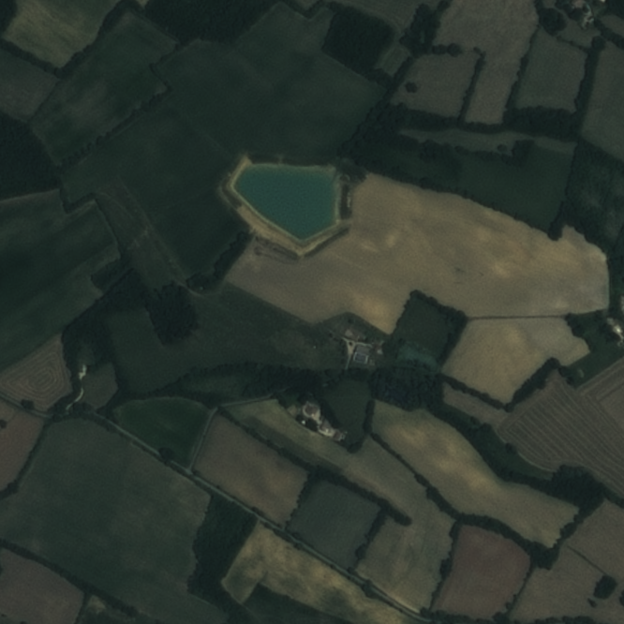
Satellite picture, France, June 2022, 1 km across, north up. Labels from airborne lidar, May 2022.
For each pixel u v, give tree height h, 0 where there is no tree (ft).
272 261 0
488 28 0
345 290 0
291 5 41
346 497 0
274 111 0
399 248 0
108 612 0
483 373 0
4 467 0
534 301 0
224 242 0
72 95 0
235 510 37
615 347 0
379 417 0
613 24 0
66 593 0
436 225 0
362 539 0
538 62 0
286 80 0
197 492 0
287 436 0
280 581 0
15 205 0
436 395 88
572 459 0
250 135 0
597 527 0
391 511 46
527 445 0
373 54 30
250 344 0
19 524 0
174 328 66
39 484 0
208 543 37
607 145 0
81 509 0
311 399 29
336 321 0
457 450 0
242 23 43
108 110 0
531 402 0
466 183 0
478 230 0
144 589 0
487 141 0
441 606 0
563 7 35
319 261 0
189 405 0
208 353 0
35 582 0
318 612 0
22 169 61
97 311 60
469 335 0
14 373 0
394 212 0
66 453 0
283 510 0
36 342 0
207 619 0
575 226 40
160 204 0
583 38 0
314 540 0
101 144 37
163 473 0
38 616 0
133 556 0
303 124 0
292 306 0
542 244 0
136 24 0
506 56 0
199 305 0
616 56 0
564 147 0
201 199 0
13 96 0
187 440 0
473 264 0
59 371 0
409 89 48
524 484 36
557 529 0
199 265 0
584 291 0
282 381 40
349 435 0
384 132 54
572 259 0
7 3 45
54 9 0
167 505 0
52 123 0
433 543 0
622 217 0
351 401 0
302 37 0
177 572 0
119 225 0
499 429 0
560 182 0
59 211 0
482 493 0
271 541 0
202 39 34
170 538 0
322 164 0
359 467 0
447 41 0
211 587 41
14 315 0
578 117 52
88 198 35
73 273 0
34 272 0
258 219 0
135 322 0
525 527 0
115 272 28
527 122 48
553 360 33
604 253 29
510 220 0
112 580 0
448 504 43
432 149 43
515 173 0
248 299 0
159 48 0
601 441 0
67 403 45
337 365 0
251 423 0
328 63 0
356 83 0
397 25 0
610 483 0
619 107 0
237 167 0
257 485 0
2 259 0
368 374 38
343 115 0
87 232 0
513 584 0
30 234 0
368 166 47
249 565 0
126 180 0
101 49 0
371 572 0
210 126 0
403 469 0
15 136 52
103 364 22
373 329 0
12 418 0
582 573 0
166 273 0
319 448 0
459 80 0
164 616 0
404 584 0
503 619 61
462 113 22
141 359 0
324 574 0
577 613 0
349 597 0
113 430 35
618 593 0
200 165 0
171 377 0
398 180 40
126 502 0
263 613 0
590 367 0
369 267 0
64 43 0
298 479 0
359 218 0
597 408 0
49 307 0
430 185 49
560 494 52
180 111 0
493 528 38
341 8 41
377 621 0
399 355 25
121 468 0
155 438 0
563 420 0
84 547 0
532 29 0
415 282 0
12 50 41
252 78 0
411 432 0
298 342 0
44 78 0
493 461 42
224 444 0
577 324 49
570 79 0
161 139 0
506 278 0
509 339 0
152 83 0
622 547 0
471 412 0
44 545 0
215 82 0
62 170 49
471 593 0
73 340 40
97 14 0
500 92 0
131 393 26
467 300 0
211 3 21
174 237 0
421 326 0
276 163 0
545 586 0
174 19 23
